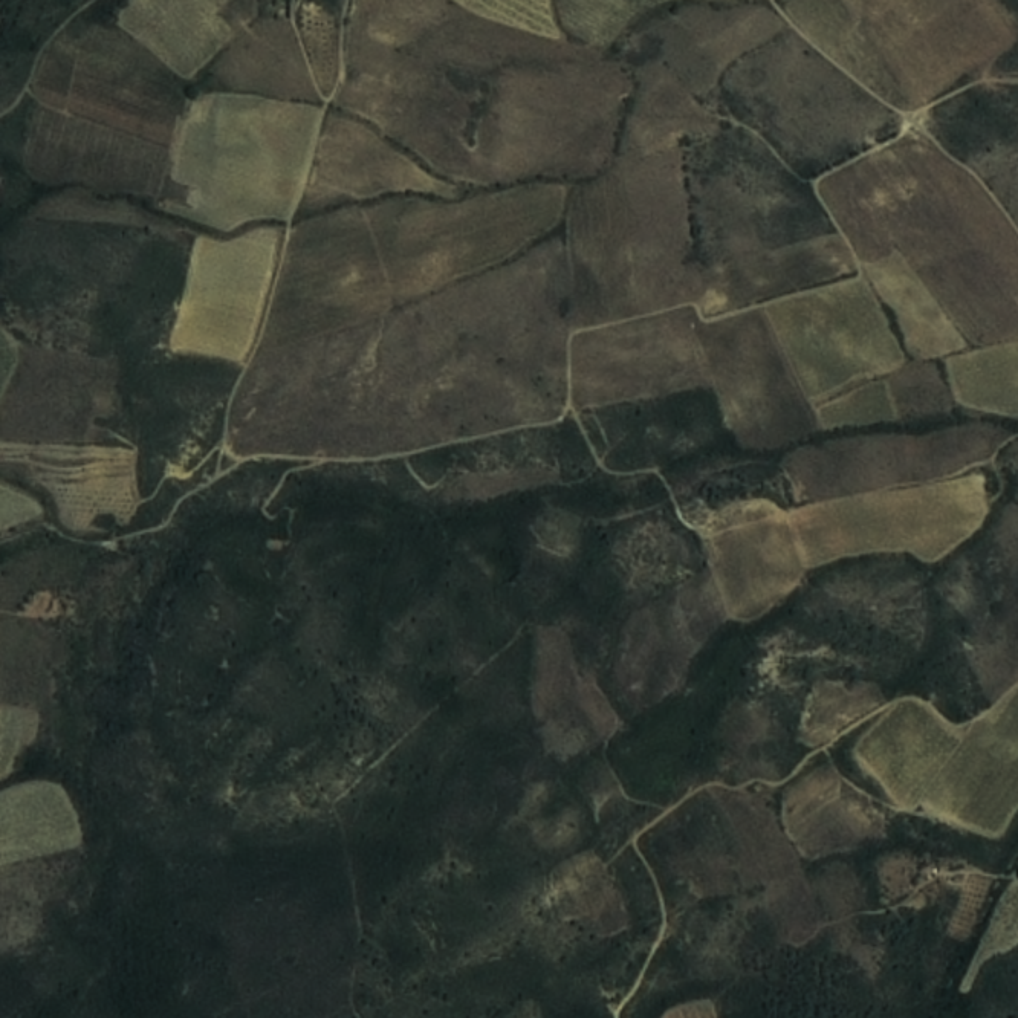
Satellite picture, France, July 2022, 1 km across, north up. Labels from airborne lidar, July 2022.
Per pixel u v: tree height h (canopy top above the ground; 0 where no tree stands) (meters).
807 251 0
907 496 0
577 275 0
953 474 0
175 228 0
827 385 0
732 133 0
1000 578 0
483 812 0
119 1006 6
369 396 0
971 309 0
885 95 0
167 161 0
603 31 0
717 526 0
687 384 0
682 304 0
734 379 0
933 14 0
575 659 0
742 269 0
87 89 0
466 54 0
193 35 0
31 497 0
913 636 0
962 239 0
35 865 0
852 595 0
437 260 0
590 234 0
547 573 0
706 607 0
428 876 0
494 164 0
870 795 0
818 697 0
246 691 0
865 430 7
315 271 0
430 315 0
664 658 0
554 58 0
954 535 0
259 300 0
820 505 0
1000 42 0
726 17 0
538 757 0
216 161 0
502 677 0
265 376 0
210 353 0
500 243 0
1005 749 0
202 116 0
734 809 0
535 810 0
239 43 0
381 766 0
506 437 0
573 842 0
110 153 0
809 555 0
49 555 0
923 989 12
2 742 0
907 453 0
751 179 0
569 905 0
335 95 0
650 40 0
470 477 0
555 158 0
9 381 0
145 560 8
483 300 0
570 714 0
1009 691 0
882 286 0
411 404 0
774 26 0
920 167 0
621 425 0
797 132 0
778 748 0
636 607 0
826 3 0
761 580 0
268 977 0
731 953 0
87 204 0
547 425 0
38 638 0
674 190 0
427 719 0
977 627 0
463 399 0
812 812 0
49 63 0
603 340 0
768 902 0
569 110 0
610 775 0
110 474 0
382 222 0
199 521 6
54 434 0
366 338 0
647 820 0
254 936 0
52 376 0
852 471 0
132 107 0
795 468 0
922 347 0
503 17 0
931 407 0
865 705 0
